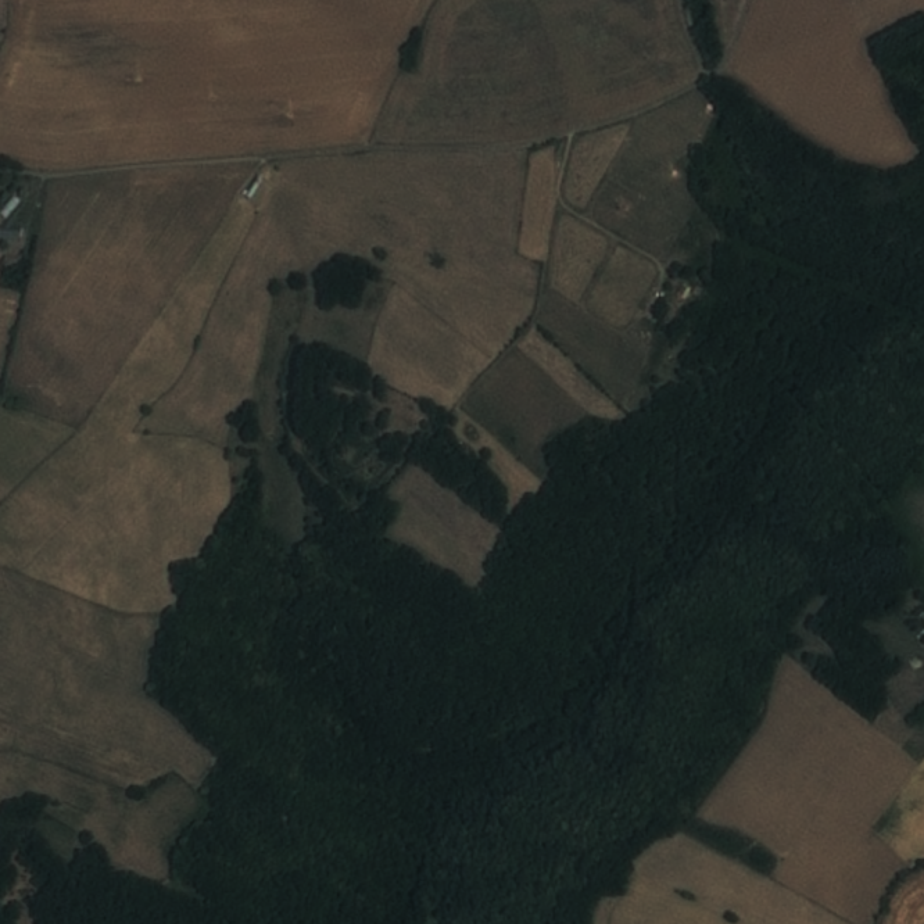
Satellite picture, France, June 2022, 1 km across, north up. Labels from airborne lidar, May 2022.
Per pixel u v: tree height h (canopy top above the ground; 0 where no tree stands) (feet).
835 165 41
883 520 50
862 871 0
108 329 0
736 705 26
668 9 0
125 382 0
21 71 0
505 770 95
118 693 0
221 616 44
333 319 0
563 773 51
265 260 0
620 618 61
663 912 0
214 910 46
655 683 66
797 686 0
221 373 0
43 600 0
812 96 0
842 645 56
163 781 24
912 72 42
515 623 34
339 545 56
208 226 0
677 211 0
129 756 0
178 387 0
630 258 0
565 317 0
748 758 0
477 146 0
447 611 53
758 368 54
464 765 58
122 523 0
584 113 0
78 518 0
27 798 37
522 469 0
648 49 0
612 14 0
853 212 39
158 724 0
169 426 0
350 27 0
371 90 0
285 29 0
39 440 0
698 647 41
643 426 65
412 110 0
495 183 0
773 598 52
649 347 0
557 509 70
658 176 0
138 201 0
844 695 48
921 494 0
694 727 64
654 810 60
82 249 0
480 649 46
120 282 0
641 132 0
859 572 102
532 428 0
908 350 65
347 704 56
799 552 64
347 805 51
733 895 0
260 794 46
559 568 44
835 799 0
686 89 0
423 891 69
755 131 52
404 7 0
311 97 0
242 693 50
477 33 0
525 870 50
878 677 33
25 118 0
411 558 56
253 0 0
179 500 0
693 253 0
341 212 0
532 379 0
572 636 60
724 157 0
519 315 0
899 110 39
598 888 54
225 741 50
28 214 0
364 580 58
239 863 48
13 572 0
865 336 77
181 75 0
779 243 49
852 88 0
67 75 0
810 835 0
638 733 57
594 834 56
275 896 64
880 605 54
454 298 0
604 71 0
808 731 0
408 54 37
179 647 43
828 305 70
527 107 0
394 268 0
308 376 68
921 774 0
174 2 0
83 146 0
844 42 0
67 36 0
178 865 50
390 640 66
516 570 55
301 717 49
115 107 0
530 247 0
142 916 51
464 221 0
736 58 0
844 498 66
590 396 0
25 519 0
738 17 0
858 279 37
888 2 0
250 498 35
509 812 52
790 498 54
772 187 47
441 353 0
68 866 21
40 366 0
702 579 52
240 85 0
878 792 0
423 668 62
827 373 74
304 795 41
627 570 60
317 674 70
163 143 0
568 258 0
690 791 49
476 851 54
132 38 0
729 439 67
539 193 0
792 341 80
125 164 0
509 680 37
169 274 0
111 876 46
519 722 61
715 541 64
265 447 0
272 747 44
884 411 57
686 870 0
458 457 30
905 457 66
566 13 0
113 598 0
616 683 78
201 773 0
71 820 0
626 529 55
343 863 38
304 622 85
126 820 0
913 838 0
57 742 0
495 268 0
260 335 0
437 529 0
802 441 62
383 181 0
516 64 0
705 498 79
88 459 0
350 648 75
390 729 71
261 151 0
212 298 0
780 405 71
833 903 0
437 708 44
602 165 0
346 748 61
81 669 0
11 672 0
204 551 39
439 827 79
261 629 52
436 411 29
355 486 34
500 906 50
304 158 0
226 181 0
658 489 49
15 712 0
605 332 0
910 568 44
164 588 0
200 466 0
